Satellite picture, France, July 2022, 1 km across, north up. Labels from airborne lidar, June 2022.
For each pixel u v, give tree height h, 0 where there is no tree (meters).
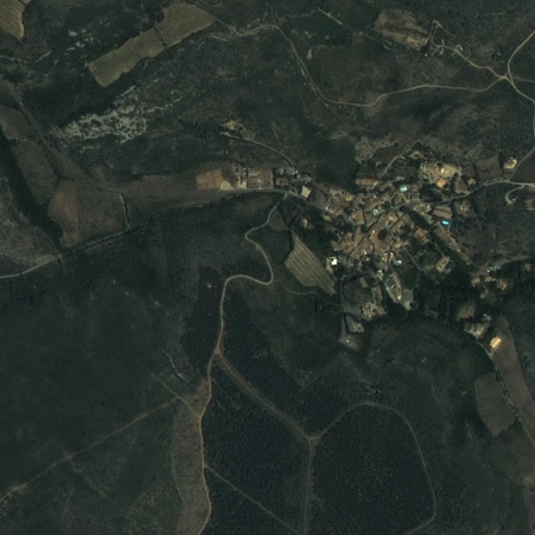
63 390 0
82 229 0
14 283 10
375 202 0
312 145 0
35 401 0
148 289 6
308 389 8
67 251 11
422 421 5
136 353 0
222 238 0
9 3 0
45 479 0
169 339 0
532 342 0
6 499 0
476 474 0
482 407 0
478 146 0
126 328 0
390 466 6
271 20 0
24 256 0
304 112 0
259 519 8
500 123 0
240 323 8
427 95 0
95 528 0
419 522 7
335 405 8
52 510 0
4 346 0
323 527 7
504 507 0
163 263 0
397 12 0
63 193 0
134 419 0
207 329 7
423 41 0
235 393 9
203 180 0
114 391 0
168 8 0
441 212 0
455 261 17
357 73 0
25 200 8
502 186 6
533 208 0
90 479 0
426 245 6
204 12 0
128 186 0
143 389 0
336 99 0
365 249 0
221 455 7
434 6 0
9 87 0
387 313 6
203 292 5
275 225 0
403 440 6
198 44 0
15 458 0
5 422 0
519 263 9
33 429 0
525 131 7
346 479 6
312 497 0
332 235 9
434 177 0
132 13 0
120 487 0
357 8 0
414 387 5
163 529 0
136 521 0
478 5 0
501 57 6
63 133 0
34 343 0
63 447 0
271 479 7
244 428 10
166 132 0
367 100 0
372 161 7
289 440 8
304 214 10
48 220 7
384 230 9
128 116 0
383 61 0
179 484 0
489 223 8
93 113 6
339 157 0
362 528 6
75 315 0
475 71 0
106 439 0
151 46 0
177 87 0
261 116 0
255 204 0
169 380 0
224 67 0
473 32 0
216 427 8
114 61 0
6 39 0
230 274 7
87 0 0
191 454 0
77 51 0
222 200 8
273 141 0
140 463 0
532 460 0
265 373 8
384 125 0
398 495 6
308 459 0
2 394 0
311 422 8
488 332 7
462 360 0
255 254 0
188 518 0
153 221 10
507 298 9
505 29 0
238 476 9
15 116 0
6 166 8
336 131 0
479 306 8
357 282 10
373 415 6
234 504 9
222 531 8
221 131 8
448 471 6
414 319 10
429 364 0
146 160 0
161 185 0
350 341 0
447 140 0
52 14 0
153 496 0
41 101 7
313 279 0
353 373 0
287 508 6
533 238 0
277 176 9
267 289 0
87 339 0
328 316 6
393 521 7
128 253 8
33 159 0
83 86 7
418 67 0
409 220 0
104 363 0
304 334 10
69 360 0
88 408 0
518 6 0
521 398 0
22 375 0
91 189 0
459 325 12
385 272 11
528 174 0
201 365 7
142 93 0
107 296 0
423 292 12
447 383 0
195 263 0
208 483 8
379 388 8
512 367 0
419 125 0
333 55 0
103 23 0
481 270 0
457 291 14
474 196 9
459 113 0
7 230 0
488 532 0
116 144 0
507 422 0
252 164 0
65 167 0
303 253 0
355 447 7
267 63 0
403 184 13
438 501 6
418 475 7
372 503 6
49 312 0
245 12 0
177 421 0
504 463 0
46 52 0
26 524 0
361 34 0
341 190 0
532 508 0
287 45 0
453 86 0
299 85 0
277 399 12
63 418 0
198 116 0
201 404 0
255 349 7
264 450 9
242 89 0
